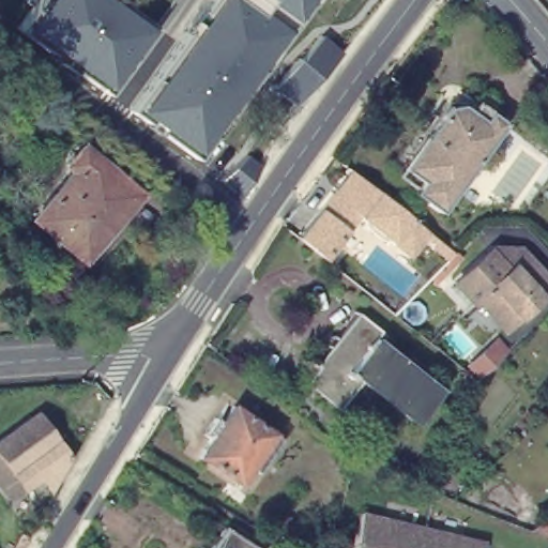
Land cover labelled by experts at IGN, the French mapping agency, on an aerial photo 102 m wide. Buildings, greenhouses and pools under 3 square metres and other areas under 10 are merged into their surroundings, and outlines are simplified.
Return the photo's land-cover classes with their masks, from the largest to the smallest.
<instances>
[{"label":"deciduous trees","instance_id":"1","mask_svg":"<svg viewBox=\"0 0 548 548\"><path fill-rule=\"evenodd\" d=\"M30 9L26 0H0V330H9V334L15 340L21 343L49 338L60 351L81 347L83 351L105 349L107 353H118L131 338L128 328L133 323L143 321L150 315H161L176 300V293L182 289V285L188 283L197 265H223L231 259V250L227 246L225 208L186 195L184 188L171 182L158 169V165H154L141 150H137L133 143H124L107 122L92 118L90 107L81 101H73L71 94L60 90L58 73L49 62L34 60L32 47L24 41L26 39L21 21L28 17ZM86 146H90L92 152L101 154L107 161L116 158V163H122V171L131 176L141 188H148L154 201L139 210L137 218H133L128 229H124V238L111 250H107L94 265H83L71 250L58 244V238L54 233L41 229L34 223L39 214L36 203L45 199L43 186L54 184V169L62 171L66 154H79ZM469 15L458 6H450L447 2L437 13L426 30L437 36V49L443 54V49L452 45L456 26L465 24ZM484 24L482 39L488 45L490 58H497L507 73L522 69L524 62L518 54V41L514 32L505 24L497 21L490 13L480 17ZM460 92H471L480 98L492 101L501 103V92L488 88L484 81L465 77L460 86ZM435 101L428 98V94L424 92L417 101L409 103L405 101L402 86L398 83V79L390 83L379 88L372 86L368 96L362 116L338 143L334 158L349 165L357 148L379 150L387 143H394L396 137L405 131V122H430L435 120ZM516 133L548 156V81L533 86L531 81L522 98L516 101V116L509 120ZM246 118L250 120L253 135V150H261L263 154L268 152L270 143L276 141L280 133L287 128L291 116L280 103L274 101L272 94L263 90H259V94L253 98L248 107ZM383 178L400 191V197L396 201L417 218L420 214L430 212L422 193L402 184V171L396 165H390L383 171ZM317 280L328 289L323 295H330L332 289L357 293L351 285L343 283V274H338L332 261H325L317 268ZM321 308L319 295L310 293L306 285L293 291L285 300L278 317L291 334H302L313 325L315 313ZM413 340L422 343L426 349L435 353H441L437 366H430V370L450 390V402L441 405L426 420V424L430 426V430L424 450L417 454L411 447H407V439L400 432L402 426H390L375 415L362 413V409L353 400V394L345 396L338 407V413L343 415L336 424V445L340 454L338 458L343 460V465L349 467V471L370 477L375 475L377 482H387L396 471H400L407 477H413L415 482H424L432 488H439L447 499L482 514L486 512V505L480 499L471 497V490L482 488L484 482L492 480L503 469L501 460L518 441V437H522V430L533 435L548 424V387H539L535 405L520 407V426L509 428L505 437L486 445V430L477 428L471 422V409L480 411L486 390L492 385L494 377H499L494 370L484 377L473 372L469 379H462L460 375H456L454 366V360L458 355L445 336L432 323L426 321L422 325L405 328ZM330 347L328 343L310 336L300 357L291 360L287 355L276 364V368H270L263 360L250 355H220L218 362L231 368L233 375L255 396L276 405L280 411H285L287 407H295L313 420L317 415L315 411L319 409L315 405L319 396L317 366L328 357ZM150 501L152 505L161 507L167 516L184 520L201 548H216L218 537L225 529H233L244 537L253 539L255 548H355L360 518L345 503L343 494L334 492L330 503L317 501L310 507L298 512L300 529L293 537H289L285 533V524L270 520L261 514L265 499L253 492L246 494L240 503L227 497H206L188 484L171 477L167 471H161L158 467L137 458L124 465L116 486L107 497H103V505L107 509H131L137 505V501ZM310 490V484L302 477H291L280 492L287 494L295 505ZM60 509V503L51 494H36L34 505L24 512L26 516L21 518V522H17L24 535H32L39 529L49 531L54 529V514ZM77 548H111L107 544V535L103 533V520H90V527L79 539Z\"/></svg>","mask_w":548,"mask_h":548},{"label":"building","instance_id":"2","mask_svg":"<svg viewBox=\"0 0 548 548\"><path fill-rule=\"evenodd\" d=\"M30 9L28 17L21 21L26 39L85 83L90 86V90L101 92V98L109 101L120 113L148 126L158 139H165L167 143L178 148L188 161H197L212 167L216 158L212 154V148L216 146V141H220L233 124V120L240 116V111L248 107L253 98L259 94V90H263L272 94L274 101L280 103L291 116L334 71L347 45V41L336 45L323 36L317 51L313 49L300 54L289 64H283L280 71L270 79L268 73L276 66L274 60L289 47L293 39L300 28L308 24L313 13L319 9L321 0H212L201 6L199 15L186 30L188 34H193L197 45L191 49L186 43L173 41L165 60L158 64V69L143 86V90L137 94L131 107L122 103L120 94L131 86V81L154 54L158 43L167 36L161 28L143 19L139 13H133L128 9L131 2L126 0H26ZM454 122L437 133L435 139L422 143L415 158L402 171V184L422 193L430 212L450 214V210L460 199L475 203V178L482 171H488L486 167L490 165V161L497 154H501V139H512V135L516 133L509 120L503 118L490 105L454 107L450 113ZM54 184L43 186L45 199L36 203L39 214L34 223L41 229L54 233L58 238V244L71 250L83 265H94L107 250H111L124 238V229H128L133 218H137L139 210L154 201L148 188H141L131 176L122 171V163H116V158L107 161L101 154L92 152L90 146H86L79 154H66L62 171L54 169ZM265 165L263 154L261 150H253L244 163H227L225 169V182H240L242 195L259 178ZM332 203L328 206V216L319 218L317 225L300 240L317 257L325 261H332L347 255V242L353 240L355 227L370 223L390 240H394L411 261L422 253V248H430L432 253L441 255L443 265L432 276L435 285L439 287L445 278H454V287L471 302V306L480 310L477 315L482 319H488L492 310L501 308L505 315L503 334L516 332L518 328L533 321L542 310L548 308V270L537 261V257L531 250L522 246H499L471 274H462V257L454 253L447 244L441 242L435 233H430L417 218L396 201L353 169H349L334 184L330 191ZM343 283L351 285L357 293H362L360 283L343 274ZM368 308H377L379 313L396 321L402 319L398 310H390V306L377 298H370L368 304ZM351 315L355 317V321L343 336H336V343L330 347L328 357L317 366L319 396L325 398L330 405L338 407L345 396L353 394L362 387H368L381 394L385 400H390L405 415V424H426V420L441 405L450 402V390L430 370L422 368L398 347H394L385 338V330L379 323L362 315L360 310H353ZM507 357V351L505 345L499 343L471 368L467 360L458 355L454 360V366L456 375H460L462 379H469L473 372L484 377L494 370ZM289 445V439L278 435L263 420L255 417L250 411L240 407V402L235 400L227 405L223 420H214L210 424L203 447L201 452H197L193 460H203L208 471L214 473L218 482L225 486L223 490L227 497L240 503L246 494L253 492L261 477L276 473V458ZM73 460V452L45 415H34L24 426L13 430L9 437H4V441H0V494L13 505V509L24 512L34 505L36 494H51L58 488V484L66 486L69 482V477H64V471ZM355 548H494L492 537L475 539L454 533H443L430 527L392 520L377 514H362L360 518ZM49 531L39 529L32 535H24L19 537V544L15 548H43ZM216 548H255L253 539L244 537L233 529H225L218 537Z\"/></svg>","mask_w":548,"mask_h":548},{"label":"impervious surface","instance_id":"3","mask_svg":"<svg viewBox=\"0 0 548 548\"><path fill-rule=\"evenodd\" d=\"M212 0H173L171 15L161 28L167 36L158 43L154 54L131 81V86L120 94L122 103L131 107L137 94L143 90V86L158 69V64L165 60L173 41L186 43L191 49L197 45L193 34H188L186 30L199 15L201 6ZM383 0H366V4L353 19L345 24H334V28L328 32L323 30V26H319L302 41L293 39L289 47L274 60L276 66L268 73L270 79L280 71L283 64H289L300 54L313 49L317 51L323 36L336 45L347 41V45L366 26V21L381 6ZM447 2L450 6H458L469 15L480 17L490 13L497 21L505 24L514 32L518 41V54L524 62L533 64L535 69L531 81L533 86L548 81V0H394L387 13L377 24V28L362 43L347 71L332 86V90L306 120L302 131L295 135L287 152L280 156L278 165L274 167L272 176L268 178L265 186L257 193L253 203L244 208L240 182H225V169L227 163H244L253 150V135L244 141L240 150L229 148L225 146V141H216V146L212 148V154L216 158L212 167L197 161H188L178 148L167 143L165 139H158L148 126L120 113L109 101L101 98V92L90 90V86L85 83L71 94L73 101H81L90 107L92 118L107 122L124 143H133L137 150H141L154 165H158V169L171 182L184 188L186 195L225 208L227 246L231 250V259L223 265H197L188 283L182 285V289L176 293V300L161 315H150L143 321L133 323L128 328L131 338L118 353H107L105 349L83 351L81 347L60 351L49 338L21 343L15 340L9 334V330H0V390L94 383L101 390V394L109 396L111 400L120 398V420L113 432L107 437L105 445L101 447L98 456L90 465L86 477L81 480V486L75 499L71 501L66 514L58 524H54V529L49 531L43 548H69L66 542L79 524V520H103V533L107 535V544L111 548H201L184 520L167 516L161 507L152 505L150 501H137V505L131 509H107L103 505V497L98 494V488L113 469L118 456L133 439L150 407L161 405L165 411L178 413L169 377L203 323L212 328L214 334L233 310V304H248V315L250 323L246 325V340H270L276 349H280L287 355L291 360L300 357L310 336L328 343L330 347L336 343V336H343L355 321V317L351 315L353 310L345 306V302L330 295H323L328 289L317 280H313L308 272H304L300 265L278 268L274 272H268L263 278L255 276V270H246L244 263L250 250L257 246L259 238L263 235L265 227L272 223L274 216L283 218V225L293 238L300 240L317 225L319 218L328 216V206L332 203L330 191L334 184L328 180L325 171L317 178L315 191L306 197L295 199L293 191L298 182L308 171L313 161L319 156L332 133L345 120L353 103L360 98V94L368 96L372 86L379 88L390 83L385 73L381 71L383 60L394 54L400 41L407 36V32L413 28V24L420 19V15L428 6L437 13ZM306 285L310 293L319 295L321 308L315 313L313 325L302 334H291L278 317L270 310V293L276 287H287L293 291ZM490 105L492 101L480 98L471 92H460V86H445L439 98L435 101V120L430 122L437 128V133L454 122L450 113L454 107ZM501 154H497L490 161V165L486 167L488 171H482L475 178V203L488 206H499L501 210H520L524 206L535 197L539 184L548 180V156L516 133L512 135V139H501ZM518 156H529L535 163V171L516 197H503L497 191V184L505 178V173L512 169ZM381 248L396 263L402 265L411 261L394 240H390L370 223L355 227L353 240L347 242V255L355 257L362 263L372 255V250ZM484 246L492 240L499 246H522L531 250L537 257V261L548 270V250L522 227L484 229L480 235ZM435 285L432 276L426 278L420 274L415 276L413 287H409L402 295L405 302H417L420 295H424L426 287ZM447 293V298L456 304L458 310H469L471 306V302L454 287V278H445L439 287ZM537 328L548 332V308L542 310L533 321L518 328L516 332L503 334H499V336H494V338H490V340H486V343H484V345H482V347H480V349H477L467 360L471 368L499 343L505 345L507 351H514L518 343L527 340ZM392 520L430 527L443 533H454V529L460 524L458 520L450 518L435 520L426 514L413 516L409 509L392 507H381L377 514Z\"/></svg>","mask_w":548,"mask_h":548},{"label":"herbaceous vegetation","instance_id":"4","mask_svg":"<svg viewBox=\"0 0 548 548\"><path fill-rule=\"evenodd\" d=\"M131 2L128 9L133 13H139L143 19L161 28L171 15L173 0H126ZM366 4V0H321L319 9L313 13L308 24L300 28L293 39L302 41L319 26H323V30L328 32L334 28V24H345L353 19ZM484 24L480 17L469 15L465 24L456 26L452 45L443 49V54L437 49V36L426 30L415 41L413 51L402 60V64H398L392 73H385L390 83L398 79V83L402 86L405 101L409 103L417 101L424 92L428 94V98L435 101L439 98L445 86H460L465 77L484 81L488 88L501 92V103L492 101L490 105L503 118L509 120L516 116V101L522 98L531 81L535 69L533 64L524 62L522 69L507 73L497 58H490L488 45L482 39ZM24 41L32 47L34 60L49 62L58 73L60 90L71 94L85 83L26 39ZM248 107L240 111V116L233 120V124L220 141H225V146L229 148L240 150L244 141L253 135L250 120L246 118ZM405 131L396 137L394 143H387L379 150L357 148L349 165L334 158L330 161L325 171L328 180L334 184L349 169H353L396 201L400 197V191L383 178V171L390 165H396L402 171L415 158L422 143L435 139L437 133V128L430 122H405ZM524 206L531 212H535L531 223L548 231V180L539 184L535 197ZM488 206L475 203L460 199L450 210V214L430 212L420 214L417 218L430 233H435L441 242L447 244L452 242L450 231H462L467 227L462 220L465 212L477 216ZM325 261L317 257L300 240L293 238L283 225L255 270V276L263 278L268 272H274L278 268L300 265L304 272H308L313 280H317V268ZM499 246L492 240L484 246L480 235L471 238L465 244L462 257V274H471ZM443 265L441 255L432 253L430 248H422V253L411 261L402 265L409 274H415V270L420 274L426 278L432 276ZM338 274H343L360 283L362 293H357L332 289L330 295L345 302V306L353 310H360L362 315L379 323L385 330V338L394 347H398L422 368L430 370V366H437L441 353H435L426 349L422 343L413 340L405 328L396 321L379 313L377 308H368V304L370 298H377L390 306V310H398L405 302L402 295L390 291L362 263L355 257L347 255L332 261ZM417 302L426 306V321L432 323L445 336L454 325H460L465 330L471 317L465 310H458L456 304L447 298V293L439 287L435 285L426 287L424 295H420ZM293 291L287 287H276L270 293V310L278 317L285 300ZM250 323L248 315L229 334V340L235 343V355H250L263 360L270 368H276V364L287 355L280 349H276L270 340H246V325ZM494 336H499V334H497V332H488V330H484V328H477V330H475V332H473V334H471V338H473V340H475V343H477V349H480V347H482V345H484V343H486V340H490V338H494ZM499 377H494L492 385L486 390L480 411L471 409V422L477 428L486 430V445L505 437L509 428L520 426V407L535 405L539 387H548V332L537 328L527 340L518 343L514 351H507V357L494 370ZM220 355L206 343V349L197 357L186 381L197 390L199 396L229 394L235 400L240 402V407L250 411L255 417L263 420L278 435L289 439V445L276 458V473L261 477L253 492L265 499L261 514L270 520L285 524V533L289 537H293L300 529L298 512L310 507L317 501L330 503L334 492L343 494L345 503L360 518L362 514H377L381 507H392L409 509L413 516L426 514L435 520L450 518L458 520L460 524L454 529V533L475 539L492 537L494 548H548V424L533 435L522 430V437H518V441L501 460L503 469L492 480L484 482L482 488L471 490V497L480 499L486 505V512L482 514L447 499L439 488H432L424 482H415L413 477H407L400 471H396L387 482H377L375 475L370 477L349 471V467L343 465V460L338 458L340 454L336 445V424L343 415L338 413V407L330 405L325 398L319 396L315 405L319 409L315 411L317 415L313 420L295 407H287L285 411H280L276 405L255 396L233 375L231 368L218 362ZM291 477H302L310 484V490L295 505L287 494L280 492ZM111 400L109 396L101 394V390L94 383L0 390V441H4V437H9L13 430L24 426L34 415H45L73 452H79L83 447L98 420L109 409ZM353 400L362 409V413L375 415L390 426H402L400 432L407 439V447H411L417 454L424 450L430 430V426L426 424H405V415L390 400H385L381 394L368 387H362L353 394ZM148 454L161 456L163 460L193 477L199 473V477L210 484L218 482L214 473L208 471L203 460H193L186 458V439L178 413L165 411L156 428L143 443V447ZM26 516L24 512L13 509V505L0 494V548H15L19 544V537L24 535L17 522H21V518Z\"/></svg>","mask_w":548,"mask_h":548},{"label":"pervious surface","instance_id":"5","mask_svg":"<svg viewBox=\"0 0 548 548\"><path fill-rule=\"evenodd\" d=\"M394 0H383L381 6L366 21V26L347 45L334 71L291 116L287 128L280 133L276 141L270 143L268 152L263 154L265 165L259 178L242 195L244 208L253 203L257 193L265 186L268 178L272 176L274 167L278 165L280 156L287 152L295 135L302 131L306 120L332 90V86L347 71L362 43L377 28V24L387 13ZM437 13L428 6L420 15V19L413 24V28L407 32V36L400 41L394 54L383 60L381 71L385 73H392L398 64H402V60L413 51L415 41L426 30ZM368 96L360 94V98L353 103L345 120L332 133L319 156L313 161L308 171L298 182L293 191L295 199L306 197L315 191L317 178L325 171L330 161L334 158L338 143L362 116ZM283 225V218L274 216L272 223L265 227L263 235L259 238L257 246L250 250L244 263L246 270H255ZM471 317L465 330V334L471 336V334H473V332H475V330H477V328H484V330H488V332H497V334H503L505 315L501 308L492 310L488 319H482L477 315L480 310L471 306L469 310H465ZM214 334L212 328L203 323L169 377L178 413L186 439V458L193 460L197 452H201L203 447L210 424L214 420H223L227 405L235 400L229 394L199 396L197 390L186 381L197 357L206 349V343ZM120 398L111 400L109 409L98 420L83 447L79 452H73V460L64 471V477H69V482L66 486L58 484V488L51 494L60 503V509L54 514V524H58L66 514L71 501L75 499L81 486V480L86 477L90 465L98 456L101 447L105 445L107 437L113 432L120 420ZM165 411L161 405L150 407L133 439L118 456L113 469L98 488V494L103 497H107L116 486L124 465L137 458L139 450L143 447V443L156 428ZM90 527V520H79V524L66 542L69 548H77L79 539Z\"/></svg>","mask_w":548,"mask_h":548},{"label":"brushwood","instance_id":"6","mask_svg":"<svg viewBox=\"0 0 548 548\"><path fill-rule=\"evenodd\" d=\"M535 212H531L524 206L520 210H501L499 206H488L477 216L465 212L462 220L467 227L462 231H450L452 242L447 244L454 253L462 257L465 244L471 238L480 235L484 229L522 227L548 250V231L531 223ZM248 315V304H233V310L214 334L206 343L220 355H235V343L229 340V334ZM137 458L158 467L161 471H167L171 477L188 484L206 497H227L223 490L225 486L218 482L210 484L199 477V473L193 477L163 460L161 456L148 454L143 447L139 450Z\"/></svg>","mask_w":548,"mask_h":548},{"label":"swimming pool","instance_id":"7","mask_svg":"<svg viewBox=\"0 0 548 548\"><path fill-rule=\"evenodd\" d=\"M535 171V163L529 156H518L512 169L505 173V178L497 184V191L503 197H516ZM390 291L402 295L409 287H413L415 276L420 274L415 270V274H409L402 265L396 263L381 248L372 250V255L362 263ZM398 310L402 319L396 321L405 328L422 325L426 321V306L417 302H405ZM458 355L467 360L477 349V343H475V340H473V338H471V336L465 334V330L460 325H454L445 336Z\"/></svg>","mask_w":548,"mask_h":548}]
</instances>
